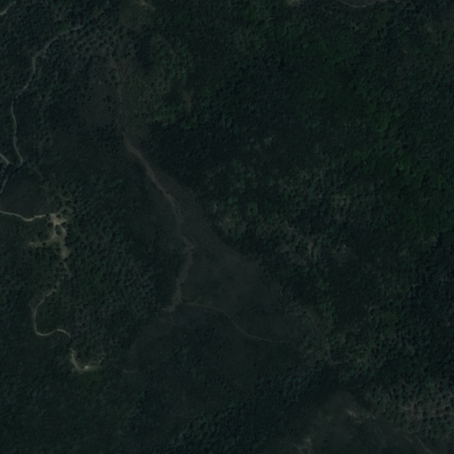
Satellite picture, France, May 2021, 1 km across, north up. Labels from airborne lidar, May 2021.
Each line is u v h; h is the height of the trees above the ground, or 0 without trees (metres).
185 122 14
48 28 10
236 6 19
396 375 19
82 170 8
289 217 12
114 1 11
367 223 13
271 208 9
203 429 17
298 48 29
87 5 13
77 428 10
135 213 6
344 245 15
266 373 8
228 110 16
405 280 13
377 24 14
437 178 33
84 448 6
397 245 11
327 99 24
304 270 13
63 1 10
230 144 15
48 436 6
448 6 7
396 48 19
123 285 8
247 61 23
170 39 14
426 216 16
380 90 15
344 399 0
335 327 7
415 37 9
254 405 6
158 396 8
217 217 9
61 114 8
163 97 8
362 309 13
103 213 15
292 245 14
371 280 14
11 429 15
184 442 11
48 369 18
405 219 19
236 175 11
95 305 7
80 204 18
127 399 9
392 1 13
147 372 9
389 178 22
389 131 17
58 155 13
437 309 13
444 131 14
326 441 6
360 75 16
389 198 20
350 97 19
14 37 12
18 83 13
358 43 18
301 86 15
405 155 30
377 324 13
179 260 7
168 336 6
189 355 7
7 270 8
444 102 7
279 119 14
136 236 8
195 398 7
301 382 12
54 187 12
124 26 14
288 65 30
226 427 11
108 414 7
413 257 10
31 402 10
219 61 14
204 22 14
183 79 15
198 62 13
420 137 13
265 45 21
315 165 9
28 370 8
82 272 8
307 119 11
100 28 16
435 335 17
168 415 6
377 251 12
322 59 24
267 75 19
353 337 10
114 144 12
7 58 15
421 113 14
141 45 10
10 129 6
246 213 12
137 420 14
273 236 14
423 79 15
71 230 17
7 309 19
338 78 21
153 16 11
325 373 11
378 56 15
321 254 9
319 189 12
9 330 13
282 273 14
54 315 12
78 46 12
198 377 13
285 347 5
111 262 9
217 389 6
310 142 12
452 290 16
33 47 15
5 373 10
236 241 11
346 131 11
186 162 16
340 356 13
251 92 21
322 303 16
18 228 8
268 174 16
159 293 8
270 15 13
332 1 12
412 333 22
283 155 11
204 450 10
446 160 19
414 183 25
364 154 21
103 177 10
